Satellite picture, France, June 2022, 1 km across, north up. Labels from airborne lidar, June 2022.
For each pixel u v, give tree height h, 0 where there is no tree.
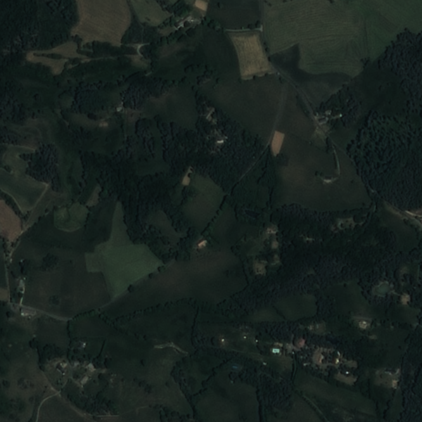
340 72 0
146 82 21
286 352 7
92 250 0
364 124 0
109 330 0
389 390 0
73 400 13
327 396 0
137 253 0
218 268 0
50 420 0
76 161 0
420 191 19
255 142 7
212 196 0
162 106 0
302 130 0
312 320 13
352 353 15
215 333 0
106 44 10
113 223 0
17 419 0
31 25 26
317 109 7
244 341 0
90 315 16
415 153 22
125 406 0
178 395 0
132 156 16
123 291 0
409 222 9
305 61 0
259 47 0
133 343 0
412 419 20
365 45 0
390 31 0
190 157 11
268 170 20
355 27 0
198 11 0
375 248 10
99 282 0
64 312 0
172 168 8
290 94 0
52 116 0
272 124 0
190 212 0
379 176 23
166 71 0
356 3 0
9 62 15
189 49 0
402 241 0
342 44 0
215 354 13
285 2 14
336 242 18
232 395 0
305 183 0
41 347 14
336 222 14
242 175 17
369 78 0
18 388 0
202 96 12
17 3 17
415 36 22
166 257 13
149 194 16
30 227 6
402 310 0
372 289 14
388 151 24
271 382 12
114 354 0
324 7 0
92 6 0
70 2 26
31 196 0
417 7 0
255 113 0
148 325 0
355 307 0
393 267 19
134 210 11
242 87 0
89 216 14
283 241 12
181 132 17
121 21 0
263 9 0
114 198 15
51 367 0
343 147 0
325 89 0
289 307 0
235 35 0
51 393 0
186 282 0
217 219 14
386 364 0
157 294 0
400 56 14
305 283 18
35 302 0
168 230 0
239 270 0
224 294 0
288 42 0
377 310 0
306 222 16
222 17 0
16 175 0
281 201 0
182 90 0
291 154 0
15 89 16
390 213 0
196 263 0
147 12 0
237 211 17
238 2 0
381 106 0
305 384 0
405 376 9
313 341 14
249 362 18
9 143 10
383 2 0
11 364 0
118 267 0
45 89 0
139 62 0
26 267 21
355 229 11
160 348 0
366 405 0
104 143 0
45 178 18
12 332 0
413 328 12
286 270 14
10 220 0
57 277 0
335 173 0
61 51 0
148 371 0
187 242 24
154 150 18
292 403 9
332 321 18
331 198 0
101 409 13
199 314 10
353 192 0
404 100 0
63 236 0
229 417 0
